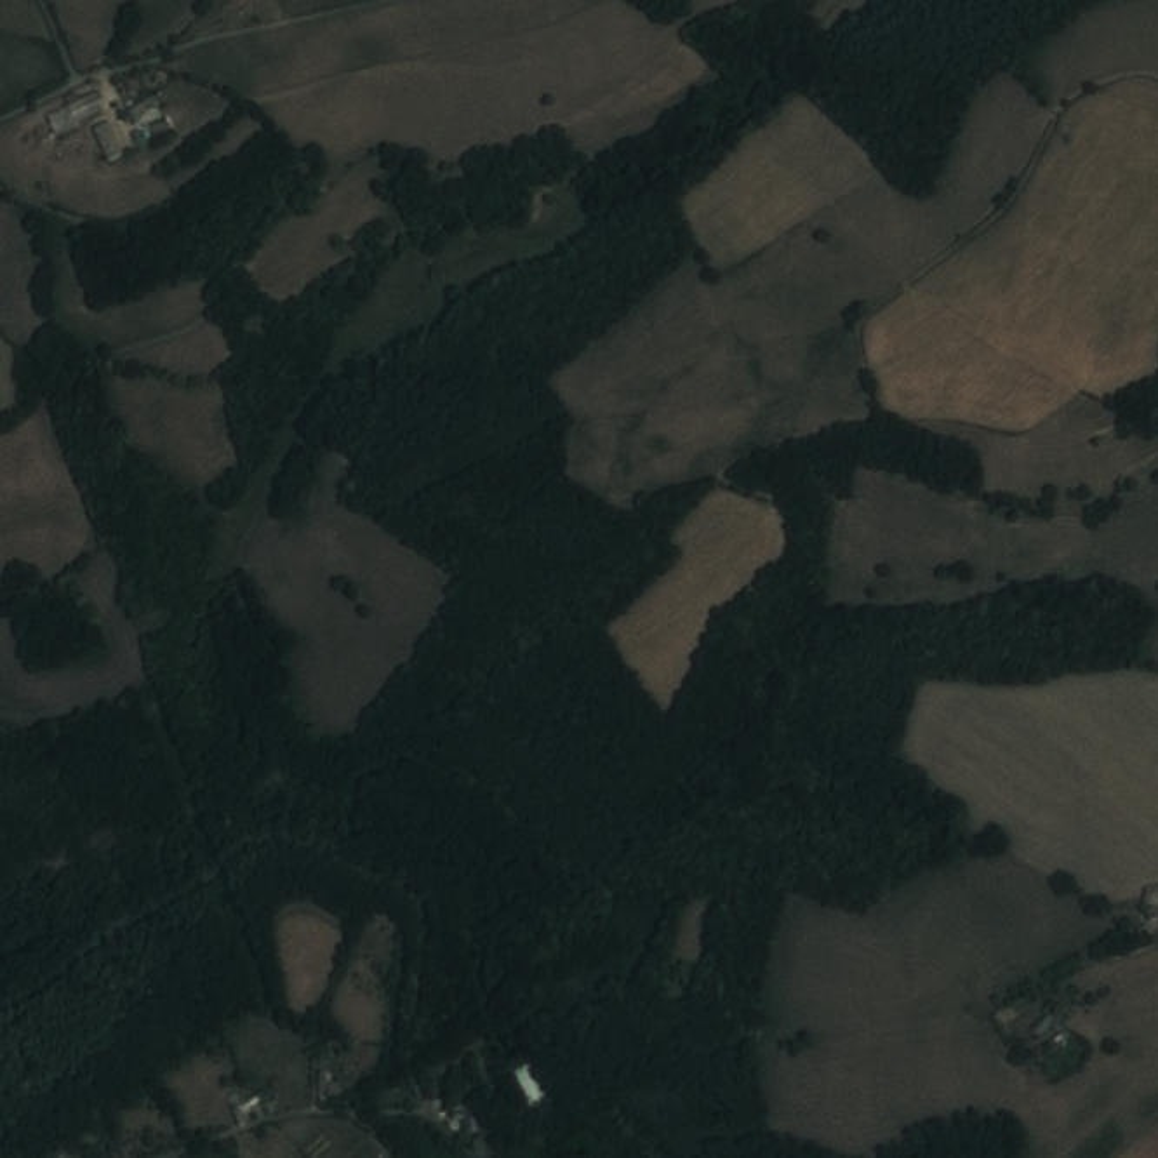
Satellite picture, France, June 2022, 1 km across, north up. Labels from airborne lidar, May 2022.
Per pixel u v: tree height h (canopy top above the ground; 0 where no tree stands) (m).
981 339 0
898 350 0
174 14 0
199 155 15
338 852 19
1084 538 0
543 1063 20
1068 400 0
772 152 0
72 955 19
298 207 15
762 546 0
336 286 13
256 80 0
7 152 0
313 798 9
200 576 12
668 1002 15
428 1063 22
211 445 0
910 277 0
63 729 22
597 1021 18
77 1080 17
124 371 17
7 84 0
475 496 10
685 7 14
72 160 0
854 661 13
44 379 14
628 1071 17
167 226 18
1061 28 15
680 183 17
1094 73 0
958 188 0
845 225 0
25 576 16
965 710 0
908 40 24
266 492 0
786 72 24
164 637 16
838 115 12
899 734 13
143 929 14
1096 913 17
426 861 22
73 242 14
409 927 16
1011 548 0
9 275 0
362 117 0
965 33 24
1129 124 0
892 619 24
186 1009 22
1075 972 6
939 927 0
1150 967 0
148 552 17
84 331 0
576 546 19
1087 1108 0
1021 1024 0
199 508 14
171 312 0
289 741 20
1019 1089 0
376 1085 19
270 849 15
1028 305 0
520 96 0
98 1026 18
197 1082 0
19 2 0
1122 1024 0
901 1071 0
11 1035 17
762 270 0
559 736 15
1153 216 0
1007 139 0
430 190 17
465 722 15
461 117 0
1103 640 18
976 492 12
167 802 17
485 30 0
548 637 18
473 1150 15
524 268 16
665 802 21
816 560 15
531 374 13
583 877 25
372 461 16
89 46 0
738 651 21
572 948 17
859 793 27
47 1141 14
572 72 0
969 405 0
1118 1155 0
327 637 0
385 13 0
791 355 0
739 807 23
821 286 0
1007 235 0
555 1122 21
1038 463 0
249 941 17
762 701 23
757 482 8
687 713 20
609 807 19
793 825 18
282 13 0
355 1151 0
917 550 0
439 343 15
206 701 17
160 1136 9
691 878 17
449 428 13
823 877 18
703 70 0
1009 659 17
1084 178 0
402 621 0
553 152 20
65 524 0
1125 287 0
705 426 0
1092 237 0
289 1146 0
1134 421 16
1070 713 0
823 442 16
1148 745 0
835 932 0
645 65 0
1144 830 0
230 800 27
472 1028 25
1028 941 0
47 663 14
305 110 0
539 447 7
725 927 17
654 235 15
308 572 0
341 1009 0
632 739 18
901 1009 0
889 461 18
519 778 20
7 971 29
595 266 14
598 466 0
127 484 21
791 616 21
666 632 0
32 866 13
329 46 0
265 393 20
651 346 0
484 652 19
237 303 19
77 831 15
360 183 0
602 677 16
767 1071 0
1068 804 0
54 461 0
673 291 0
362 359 0
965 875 0
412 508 14
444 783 22
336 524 0
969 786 0
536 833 23
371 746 23
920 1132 17
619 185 11
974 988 0
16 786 12
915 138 17
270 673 18
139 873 23
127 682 0
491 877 26
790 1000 0
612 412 0
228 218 13
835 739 10
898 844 19
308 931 0
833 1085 0
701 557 0
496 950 22
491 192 17
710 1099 16
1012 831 0
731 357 0
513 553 16
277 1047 0
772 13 19
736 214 0
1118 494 14
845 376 0
